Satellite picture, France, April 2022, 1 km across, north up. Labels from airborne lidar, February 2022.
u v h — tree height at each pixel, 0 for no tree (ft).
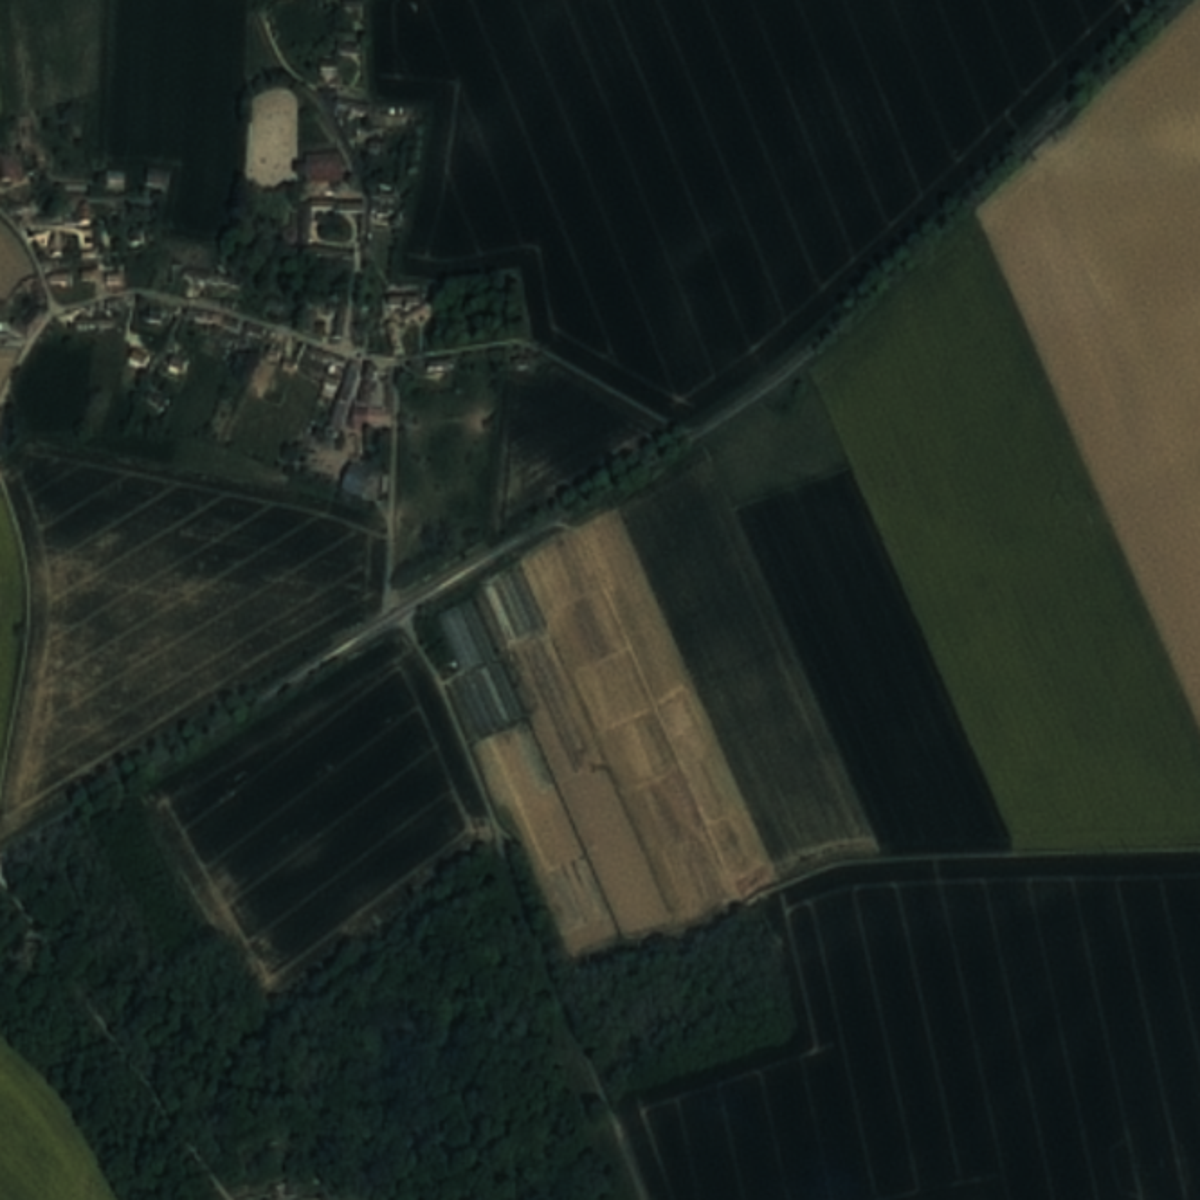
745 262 0
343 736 0
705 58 0
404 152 33
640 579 0
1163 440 0
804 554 0
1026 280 0
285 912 0
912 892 0
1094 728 0
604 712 0
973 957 0
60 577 0
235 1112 95
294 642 0
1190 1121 0
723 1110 0
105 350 0
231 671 0
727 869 0
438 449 0
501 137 0
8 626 0
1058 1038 0
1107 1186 0
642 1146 0
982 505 0
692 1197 0
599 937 0
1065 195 0
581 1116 82
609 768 0
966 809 0
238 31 0
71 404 0
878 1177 0
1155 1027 0
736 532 0
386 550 0
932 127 0
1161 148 0
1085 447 0
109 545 0
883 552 0
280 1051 102
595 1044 86
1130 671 0
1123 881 0
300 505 0
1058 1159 0
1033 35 0
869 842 0
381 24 0
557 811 0
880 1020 0
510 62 0
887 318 0
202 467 0
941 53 0
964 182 0
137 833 31
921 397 0
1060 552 0
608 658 0
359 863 0
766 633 0
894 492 0
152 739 0
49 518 0
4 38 0
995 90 0
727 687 0
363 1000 45
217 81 0
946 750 0
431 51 0
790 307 0
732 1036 83
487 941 97
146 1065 82
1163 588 0
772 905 0
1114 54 49
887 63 0
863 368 0
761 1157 0
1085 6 0
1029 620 0
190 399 0
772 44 0
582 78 0
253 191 49
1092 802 0
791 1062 0
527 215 0
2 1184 0
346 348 0
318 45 20
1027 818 0
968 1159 0
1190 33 0
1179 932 0
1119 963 0
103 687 0
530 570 0
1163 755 0
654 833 0
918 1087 0
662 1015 96
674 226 0
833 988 0
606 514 0
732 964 94
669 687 0
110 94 0
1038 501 0
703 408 0
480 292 52
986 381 0
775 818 0
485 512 0
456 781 0
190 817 0
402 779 0
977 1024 0
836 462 0
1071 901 0
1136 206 0
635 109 0
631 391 0
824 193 0
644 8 0
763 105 0
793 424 0
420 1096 84
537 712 0
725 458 0
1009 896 0
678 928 0
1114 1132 0
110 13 0
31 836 0
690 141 0
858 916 0
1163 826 0
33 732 0
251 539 0
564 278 0
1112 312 0
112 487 0
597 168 0
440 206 0
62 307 0
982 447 0
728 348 0
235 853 0
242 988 89
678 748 0
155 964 57
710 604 0
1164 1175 0
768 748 0
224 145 0
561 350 0
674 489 0
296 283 48
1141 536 0
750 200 0
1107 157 0
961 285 0
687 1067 83
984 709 0
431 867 0
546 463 0
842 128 0
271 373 0
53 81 0
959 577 0
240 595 0
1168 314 0
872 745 0
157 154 0
